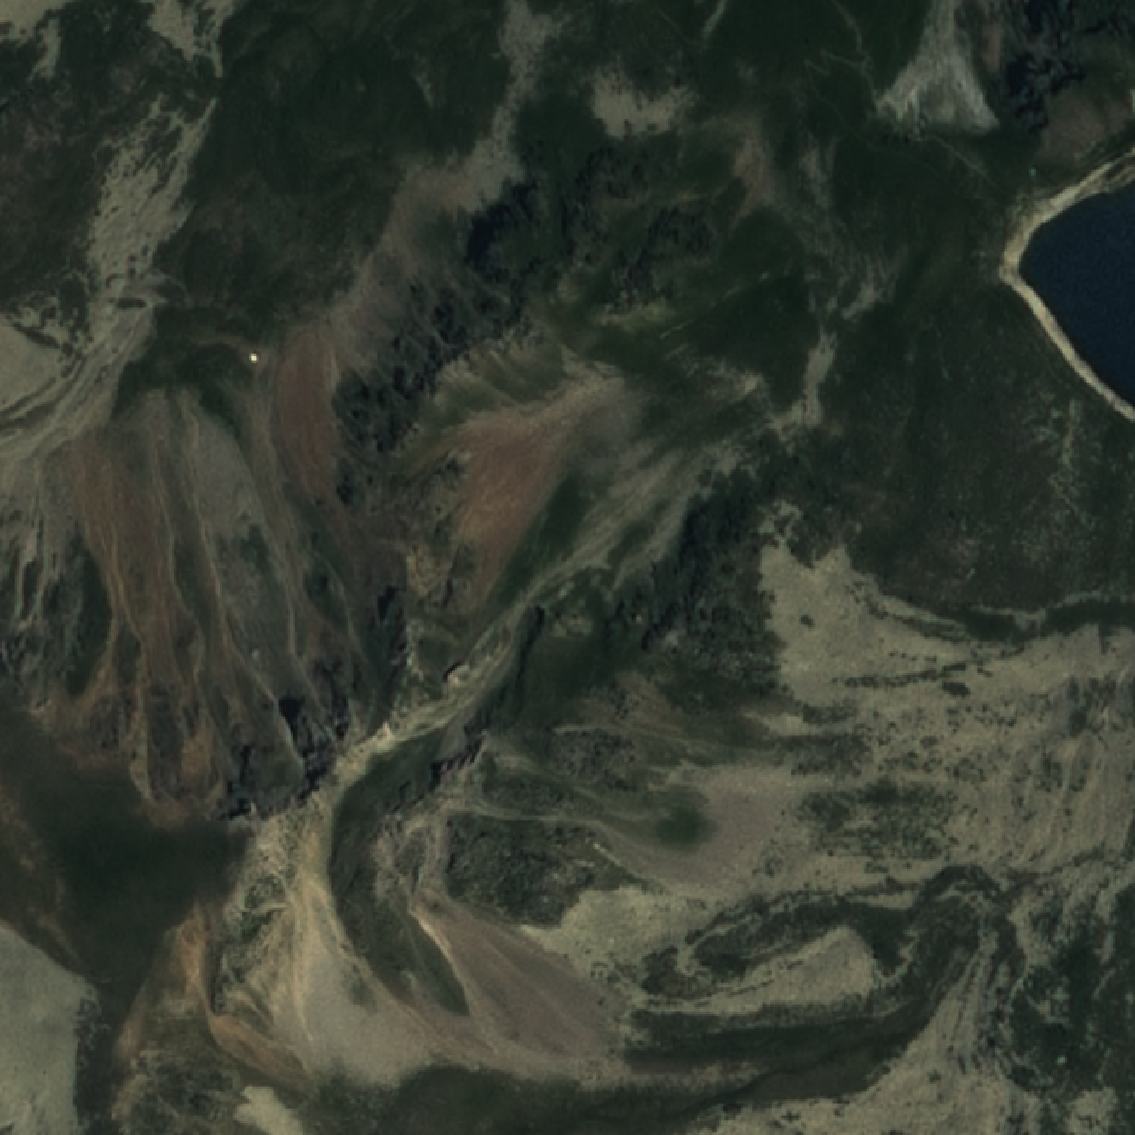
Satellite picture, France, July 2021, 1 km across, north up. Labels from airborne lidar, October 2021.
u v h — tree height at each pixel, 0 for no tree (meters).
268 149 0
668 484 0
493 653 0
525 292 7
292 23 0
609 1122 0
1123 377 0
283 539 0
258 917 0
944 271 0
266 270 0
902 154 0
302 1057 0
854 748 0
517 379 0
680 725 0
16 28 0
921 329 0
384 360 0
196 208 0
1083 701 0
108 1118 0
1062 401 0
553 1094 0
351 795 0
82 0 0
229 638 0
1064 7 8
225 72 0
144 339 0
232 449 0
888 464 0
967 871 0
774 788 0
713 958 0
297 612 0
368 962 0
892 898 0
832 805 0
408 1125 0
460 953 0
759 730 0
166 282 0
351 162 0
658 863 0
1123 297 0
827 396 0
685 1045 0
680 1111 0
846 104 0
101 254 0
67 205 0
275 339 0
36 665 0
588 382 0
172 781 0
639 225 0
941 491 0
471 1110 0
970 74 0
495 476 0
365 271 0
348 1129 0
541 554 0
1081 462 0
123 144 0
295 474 0
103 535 0
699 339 0
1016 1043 0
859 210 0
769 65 0
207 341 0
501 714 0
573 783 0
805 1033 0
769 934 0
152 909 0
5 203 0
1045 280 0
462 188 0
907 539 0
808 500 0
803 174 0
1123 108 0
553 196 0
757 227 0
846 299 0
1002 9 0
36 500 0
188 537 0
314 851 0
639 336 0
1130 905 0
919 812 0
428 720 0
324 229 0
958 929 0
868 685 0
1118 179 0
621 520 0
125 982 0
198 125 0
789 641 0
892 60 0
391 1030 0
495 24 0
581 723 0
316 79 0
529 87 0
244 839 0
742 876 0
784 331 0
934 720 0
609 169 7
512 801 0
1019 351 0
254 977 0
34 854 0
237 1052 0
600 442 0
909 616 0
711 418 0
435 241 0
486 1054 0
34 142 0
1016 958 0
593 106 0
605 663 0
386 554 0
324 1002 0
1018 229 0
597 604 0
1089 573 0
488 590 0
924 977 0
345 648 0
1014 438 0
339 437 0
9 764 0
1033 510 0
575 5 0
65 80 0
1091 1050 0
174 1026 0
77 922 0
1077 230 0
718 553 7
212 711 0
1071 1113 0
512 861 8
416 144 0
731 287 0
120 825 0
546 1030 0
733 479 0
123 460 0
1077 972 0
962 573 0
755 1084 0
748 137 0
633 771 0
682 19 0
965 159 0
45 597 0
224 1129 0
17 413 0
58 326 0
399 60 0
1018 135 0
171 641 0
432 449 0
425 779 0
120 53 0
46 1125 0
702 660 7
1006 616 0
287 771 0
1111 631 0
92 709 0
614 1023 0
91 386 0
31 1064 0
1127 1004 0
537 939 0
